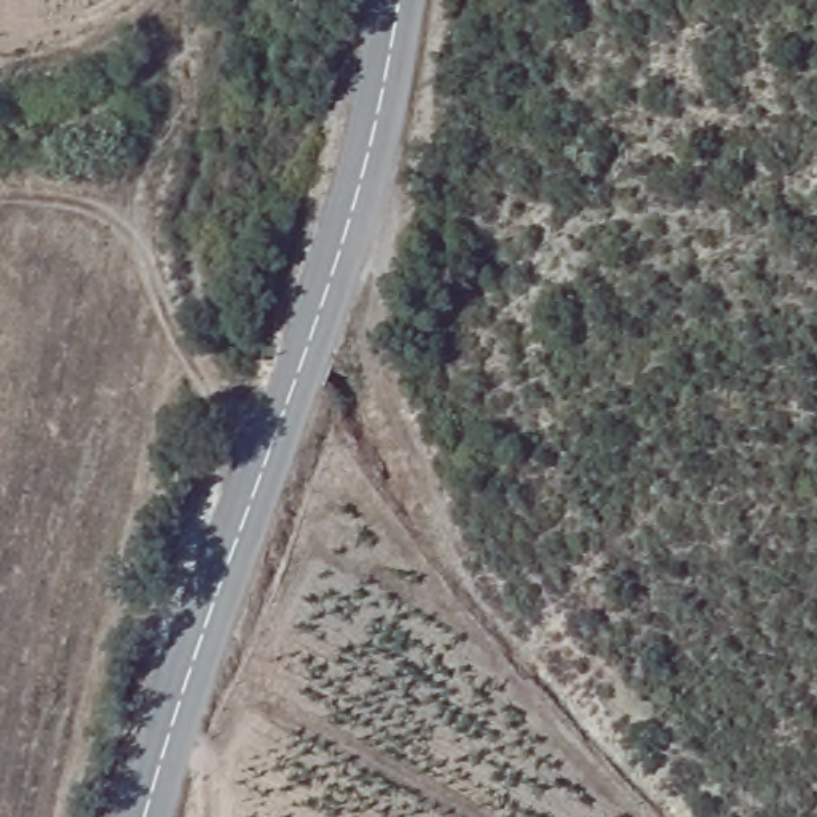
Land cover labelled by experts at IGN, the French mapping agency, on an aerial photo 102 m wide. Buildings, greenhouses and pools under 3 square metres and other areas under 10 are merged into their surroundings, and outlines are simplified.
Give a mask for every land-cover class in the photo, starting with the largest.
<instances>
[{"label":"brushwood","instance_id":"1","mask_svg":"<svg viewBox=\"0 0 817 817\"><path fill-rule=\"evenodd\" d=\"M201 26L211 29V38L204 41L201 61L198 118H191L182 150L176 153V188L166 198L163 214V233L169 236L172 252V278L182 300V348L188 354H211L230 389H255L259 364L271 357L274 332L290 319L294 300L300 297V287L294 284V268L303 262L306 223L316 211L310 191L319 182L326 118L338 105L332 99V54L345 38H351L361 0H191ZM447 35L437 51L434 73V134L431 140L412 137L399 140L402 150L396 176L402 188V217L409 220V227L399 233L393 268L380 278V294L386 300L389 319L377 326L370 345L373 354H380L386 364L399 370V383L409 393L412 409H418L421 437L437 447L434 472L450 488V517L463 530V543L472 549L466 568H495L504 578L511 603L539 626L543 594H565L574 565H581L587 552L603 555V584L626 622H610L606 610H584L574 613L565 626L584 651H594L597 657L616 664L622 670L626 686L635 689L641 702H648V721L619 718L613 731L622 734L626 750L638 753L645 772H654L661 766L670 769V782H664V788L683 798L693 817H817V0H444ZM182 48V38L160 16L150 13H144L134 22H118V45H112L109 51L83 54L80 48H64L45 57H29V48H16L13 64L0 67V179L13 172H38L45 179L102 185L137 182L140 176V169L150 160L153 140L163 134V124L172 109L166 64ZM214 482L211 476L191 479L188 495L179 501V517L185 523H195L201 517ZM93 737V753L86 779L73 785L67 807L70 817H89L102 801V772H109L112 766L115 740L121 737V696L105 686L99 693L93 724L86 731Z\"/></svg>","mask_w":817,"mask_h":817},{"label":"vineyard","instance_id":"2","mask_svg":"<svg viewBox=\"0 0 817 817\"><path fill-rule=\"evenodd\" d=\"M128 0H0V67L13 64L16 48H29V57H45L64 48H80L83 54L109 51L112 45H118V22L115 13ZM389 319L386 300L380 294V278L373 274L367 281V287L348 313L345 338L329 373L332 393L319 402L313 434L300 444L294 479L281 491V514L274 536L265 539L259 584L246 594L249 613L243 632L230 645V657L220 664L207 712L201 718V734L207 737V744L195 747L188 756L191 776L182 779L172 817H693L683 798L664 788V782H670V769L661 766L654 772H645L638 753L626 750L622 734L613 731L619 718L648 721V702H641L635 689L626 686L622 670L616 664L597 657L594 651H584L565 626L574 613L584 610H606L610 622H626L603 584V555L587 552L581 565H574L565 594H543L539 626L511 603L504 578L495 568H466L472 549L463 543V530L450 517V488L434 472L437 447L421 437L418 409H412L409 393L399 383V370L386 364L380 354H373L370 345L377 326Z\"/></svg>","mask_w":817,"mask_h":817},{"label":"agricultural land","instance_id":"3","mask_svg":"<svg viewBox=\"0 0 817 817\"><path fill-rule=\"evenodd\" d=\"M182 300L172 278V252H156L150 243L147 182L140 176L137 182L102 185L45 179L38 172H13L0 179V817H51L67 769V756L73 750V721L80 715L83 689L89 683L93 645L102 629V619L109 616L102 574H109V558L118 555V539L134 501V476L144 453L140 444L150 428V412L160 415L163 405L179 399L182 380L191 383L198 396H214L220 389H230L211 354H188L182 348Z\"/></svg>","mask_w":817,"mask_h":817},{"label":"impervious surface","instance_id":"4","mask_svg":"<svg viewBox=\"0 0 817 817\"><path fill-rule=\"evenodd\" d=\"M434 0H361L351 38H345L332 54V99L338 105L326 118L319 182L310 191L316 211L306 223L303 262L294 268V284L300 287V297L294 300L290 319L274 332L271 357L259 364L255 389H220L214 396L230 444V466H217L214 482L201 517L195 523H185L179 517V536L169 539L163 549L169 562L166 578L176 584L169 597V610L176 616L153 613L144 622V635L137 641V654L131 657L121 696V718L140 728L137 744L144 753L131 760V772L140 779L147 791L134 807L109 817H172L182 779L191 776L188 756L195 747L207 744V737L201 734V718L207 712L220 664L230 657V645L243 632L249 613L246 594L259 584L265 539L274 536L281 514V491L294 479L300 444L313 434L319 402L332 393L329 373L345 338L348 313L367 287V281L373 274L380 278L393 268L399 233L409 227V220L402 217V188L396 176L402 150L399 140L412 137Z\"/></svg>","mask_w":817,"mask_h":817},{"label":"herbaceous vegetation","instance_id":"5","mask_svg":"<svg viewBox=\"0 0 817 817\"><path fill-rule=\"evenodd\" d=\"M144 13H150L160 16L182 38V48L166 64L172 109L163 124V134L153 140L150 160L140 169V176L147 182L150 243L156 252H172L169 236L163 233V214L166 198L176 188V153L182 150L191 118H198L201 61L204 41L211 38V29L201 26L191 0H128L115 13L118 22H134ZM447 35L444 0H434L412 137L431 140L434 134V73L437 51ZM160 415L150 412V428L140 444L144 453L134 476V501L118 539V555L109 558V574H102L109 616L102 619V629L93 645L89 683L83 689L80 715L73 721V750L67 756V769L51 817H70L67 807L73 785L86 779L93 753V737L86 731L93 724L99 693L105 686V641L124 616L121 578L131 565H140L147 552V546L137 536V514L150 498L163 495L150 463V450L160 437ZM140 728L121 718V737L115 740L112 766L109 772H102V801L89 817H109L134 807L147 791L140 779L131 772V760L144 753L137 744Z\"/></svg>","mask_w":817,"mask_h":817},{"label":"deciduous trees","instance_id":"6","mask_svg":"<svg viewBox=\"0 0 817 817\"><path fill-rule=\"evenodd\" d=\"M160 437L150 450V463L163 495L150 498L137 514V536L147 546V552L140 565H131L121 578L124 616L105 641V686L121 696L131 657L137 654V641L144 635V622L153 613L176 616L169 610V597L176 584L166 578L169 562L163 549L169 539L179 536V501L188 495L191 479L211 476L214 482L217 466H230V444L214 396H198L191 383L182 380L179 399L163 405L160 415Z\"/></svg>","mask_w":817,"mask_h":817}]
</instances>
